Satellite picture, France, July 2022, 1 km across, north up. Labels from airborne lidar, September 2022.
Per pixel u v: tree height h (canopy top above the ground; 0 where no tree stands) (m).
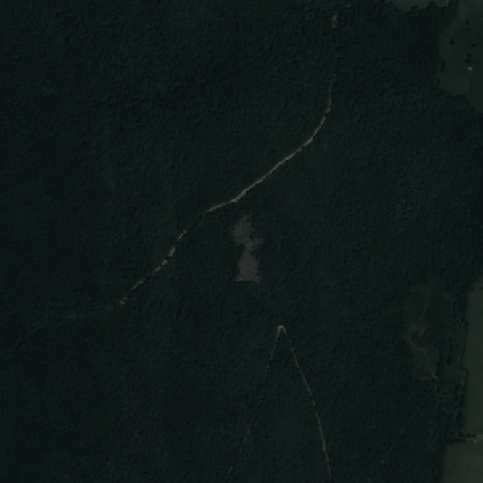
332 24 9
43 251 14
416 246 18
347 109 8
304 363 15
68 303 17
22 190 18
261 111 13
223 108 18
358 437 17
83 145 14
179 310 9
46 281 11
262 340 6
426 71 16
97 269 16
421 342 8
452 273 18
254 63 22
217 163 15
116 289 20
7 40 17
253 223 10
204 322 22
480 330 0
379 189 8
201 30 10
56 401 15
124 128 22
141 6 16
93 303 20
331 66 16
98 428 18
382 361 16
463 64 0
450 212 14
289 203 6
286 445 7
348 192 8
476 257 17
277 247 9
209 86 21
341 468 7
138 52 16
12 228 13
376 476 14
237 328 17
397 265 18
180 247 17
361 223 11
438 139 16
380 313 17
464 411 7
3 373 21
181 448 19
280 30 19
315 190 8
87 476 18
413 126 11
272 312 19
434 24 15
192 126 15
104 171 13
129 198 11
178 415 18
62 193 17
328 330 7
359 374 14
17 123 24
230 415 15
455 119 18
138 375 16
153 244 9
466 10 0
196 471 18
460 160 14
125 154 22
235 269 16
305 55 20
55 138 18
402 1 0
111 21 19
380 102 17
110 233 14
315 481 11
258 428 15
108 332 17
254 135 9
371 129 15
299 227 15
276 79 16
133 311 21
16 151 17
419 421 16
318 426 8
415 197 19
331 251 11
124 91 15
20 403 17
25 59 16
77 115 20
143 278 17
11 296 16
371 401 13
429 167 16
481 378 0
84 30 19
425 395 14
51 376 16
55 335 23
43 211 20
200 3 8
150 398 18
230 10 13
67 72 20
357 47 19
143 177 13
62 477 17
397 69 18
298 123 13
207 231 10
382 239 13
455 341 9
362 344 16
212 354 15
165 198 14
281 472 12
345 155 12
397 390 12
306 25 24
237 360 9
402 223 19
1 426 23
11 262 13
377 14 24
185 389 15
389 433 19
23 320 27
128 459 15
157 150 16
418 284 16
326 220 10
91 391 18
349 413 11
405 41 15
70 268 12
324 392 12
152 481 19
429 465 10
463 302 18
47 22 15
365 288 12
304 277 6
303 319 14
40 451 14
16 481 14
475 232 22
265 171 8
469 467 0
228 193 13
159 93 16
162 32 15
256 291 6
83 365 22
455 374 0
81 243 13
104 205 16
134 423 18
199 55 9
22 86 17
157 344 13
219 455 6
